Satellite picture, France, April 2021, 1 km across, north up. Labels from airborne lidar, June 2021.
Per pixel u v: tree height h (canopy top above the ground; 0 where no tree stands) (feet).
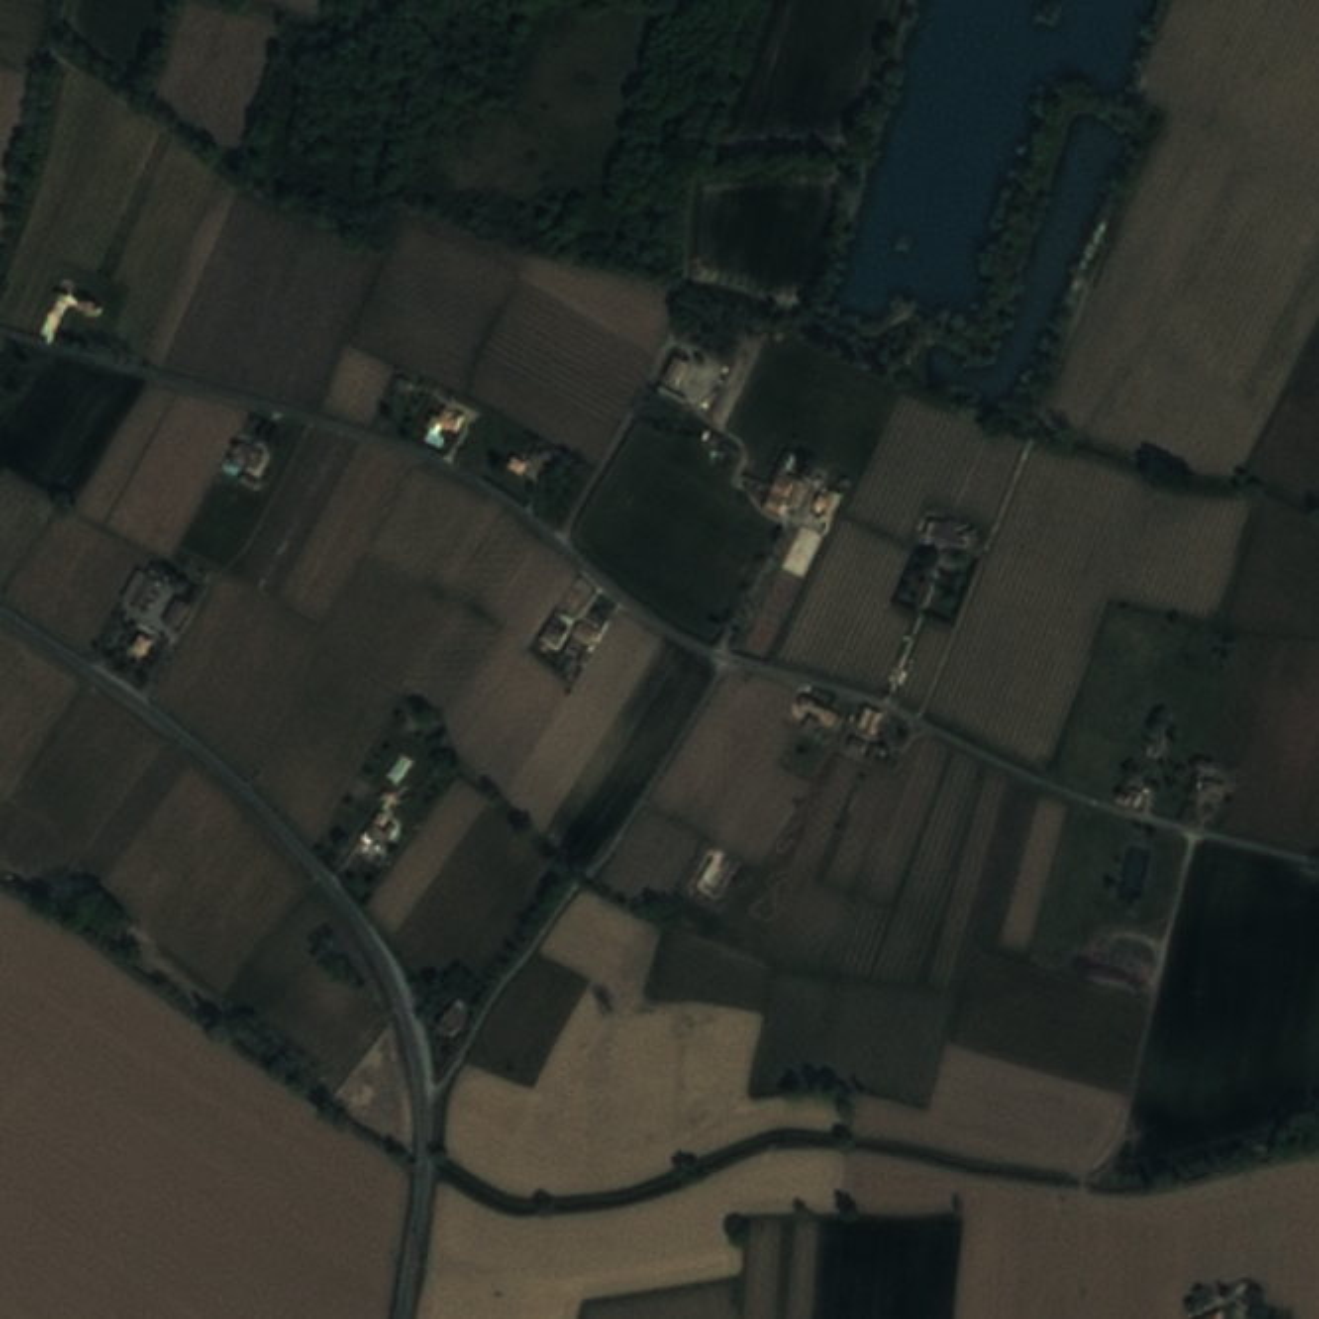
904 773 0
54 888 64
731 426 0
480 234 28
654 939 0
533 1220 0
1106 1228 0
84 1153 0
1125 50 0
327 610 0
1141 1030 0
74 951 0
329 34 22
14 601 0
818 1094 76
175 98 0
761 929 0
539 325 0
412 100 58
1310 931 0
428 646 0
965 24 0
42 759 0
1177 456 0
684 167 63
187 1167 0
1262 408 0
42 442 0
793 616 0
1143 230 0
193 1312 0
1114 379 0
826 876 0
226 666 0
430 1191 0
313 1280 0
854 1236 0
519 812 0
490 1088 0
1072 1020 0
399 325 0
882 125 64
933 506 0
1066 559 0
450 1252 0
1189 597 0
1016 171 46
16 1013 0
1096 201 0
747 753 0
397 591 0
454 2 56
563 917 0
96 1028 0
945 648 0
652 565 0
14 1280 0
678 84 68
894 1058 0
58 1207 0
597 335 0
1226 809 26
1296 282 0
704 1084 0
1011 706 0
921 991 0
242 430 0
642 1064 0
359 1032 0
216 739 0
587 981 0
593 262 35
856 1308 0
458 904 0
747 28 45
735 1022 0
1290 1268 0
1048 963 0
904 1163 0
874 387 0
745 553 0
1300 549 0
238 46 0
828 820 0
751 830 0
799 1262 0
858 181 65
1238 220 0
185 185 0
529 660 0
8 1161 0
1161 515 0
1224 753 0
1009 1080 0
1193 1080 0
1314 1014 0
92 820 0
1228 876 0
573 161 0
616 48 0
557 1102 0
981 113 0
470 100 24
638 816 0
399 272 0
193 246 0
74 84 0
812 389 0
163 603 0
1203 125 0
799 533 31
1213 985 0
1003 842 0
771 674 0
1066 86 60
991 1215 0
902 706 0
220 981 0
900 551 0
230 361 0
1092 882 0
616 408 0
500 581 0
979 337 46
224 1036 89
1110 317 0
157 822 0
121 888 0
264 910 0
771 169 51
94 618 0
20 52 0
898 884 0
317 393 0
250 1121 0
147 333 0
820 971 0
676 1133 0
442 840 0
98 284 0
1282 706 0
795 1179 0
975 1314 0
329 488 0
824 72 0
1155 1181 38
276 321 0
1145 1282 0
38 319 0
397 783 0
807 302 20
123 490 0
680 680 0
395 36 63
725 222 0
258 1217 0
